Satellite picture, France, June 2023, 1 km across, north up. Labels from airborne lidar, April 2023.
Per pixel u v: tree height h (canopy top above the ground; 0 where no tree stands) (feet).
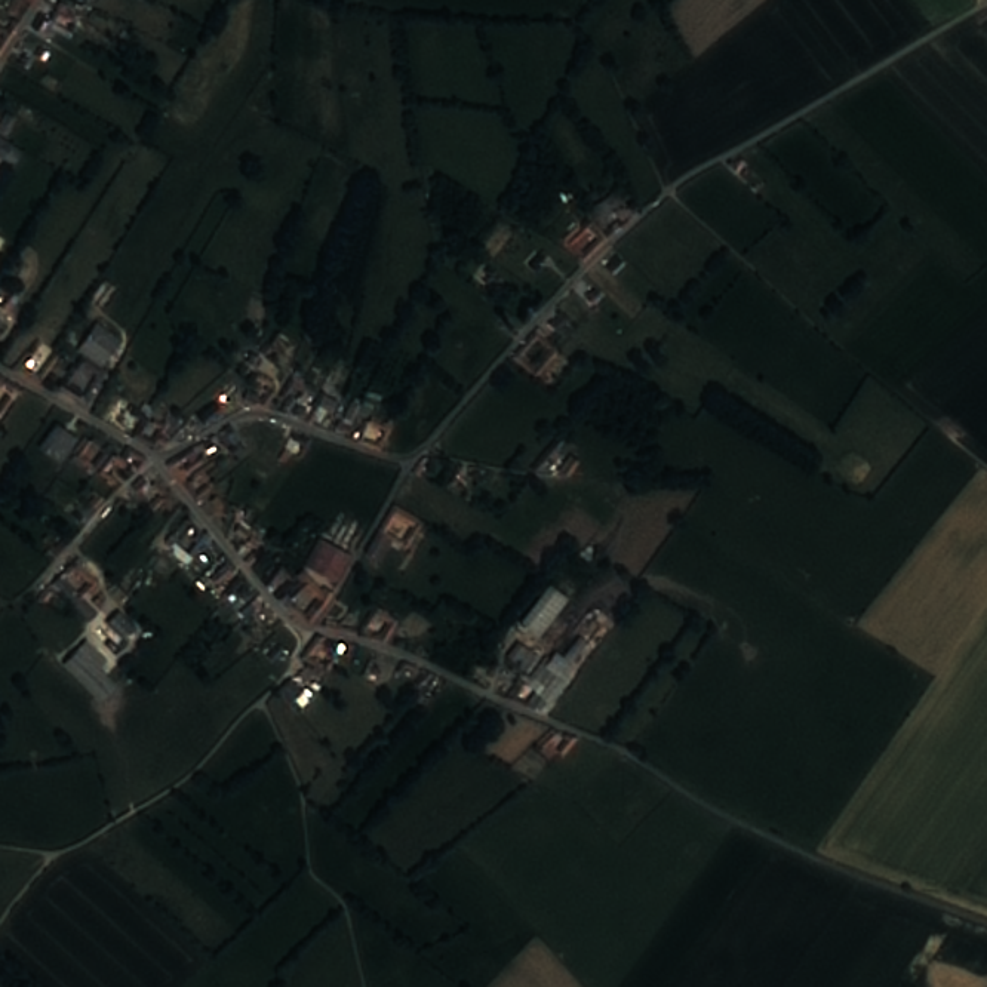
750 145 0
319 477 0
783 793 0
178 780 0
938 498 0
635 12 31
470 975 0
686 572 0
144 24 0
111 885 0
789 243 0
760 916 0
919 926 0
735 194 0
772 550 0
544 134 46
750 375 0
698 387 0
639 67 0
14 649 0
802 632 0
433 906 50
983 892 0
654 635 0
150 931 0
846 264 0
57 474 0
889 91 0
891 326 0
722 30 0
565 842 0
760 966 0
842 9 0
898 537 0
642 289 0
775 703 0
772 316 0
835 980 0
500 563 0
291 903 0
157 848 0
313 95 0
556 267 0
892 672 0
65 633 0
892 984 0
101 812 0
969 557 0
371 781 44
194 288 0
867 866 0
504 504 22
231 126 0
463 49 0
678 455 0
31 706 0
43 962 0
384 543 0
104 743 0
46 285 18
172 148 0
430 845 0
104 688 0
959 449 0
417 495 0
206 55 0
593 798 0
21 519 55
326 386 0
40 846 0
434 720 0
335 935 0
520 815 0
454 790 0
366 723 0
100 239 0
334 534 0
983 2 0
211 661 0
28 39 0
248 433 0
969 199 0
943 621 0
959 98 0
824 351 0
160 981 0
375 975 0
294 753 0
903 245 0
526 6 0
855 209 0
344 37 0
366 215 97
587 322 0
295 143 0
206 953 22
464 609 43
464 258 46
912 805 0
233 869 23
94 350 0
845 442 0
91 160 31
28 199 0
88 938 0
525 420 0
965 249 0
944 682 0
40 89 0
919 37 0
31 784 0
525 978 0
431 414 0
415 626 0
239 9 0
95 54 40
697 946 0
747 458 0
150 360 0
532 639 0
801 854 0
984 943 0
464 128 0
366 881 0
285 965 24
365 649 0
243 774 39
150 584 0
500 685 0
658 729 0
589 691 0
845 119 0
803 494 0
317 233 0
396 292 0
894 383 0
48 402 0
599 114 0
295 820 0
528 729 0
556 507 0
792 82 0
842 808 0
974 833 0
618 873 0
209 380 0
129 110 0
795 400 0
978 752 0
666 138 0
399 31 29
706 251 0
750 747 0
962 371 0
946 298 0
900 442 0
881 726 0
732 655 0
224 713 0
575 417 41
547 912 0
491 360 0
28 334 0
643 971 0
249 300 0
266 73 0
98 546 0
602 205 0
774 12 0
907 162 0
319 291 83
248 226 0
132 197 0
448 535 47
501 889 0
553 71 0
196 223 0
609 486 0
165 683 0
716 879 0
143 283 0
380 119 0
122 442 0
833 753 0
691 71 0
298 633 0
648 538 0
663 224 0
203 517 0
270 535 28
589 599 0
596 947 0
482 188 0
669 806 0
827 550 0
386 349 30
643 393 55
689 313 0
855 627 0
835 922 0
